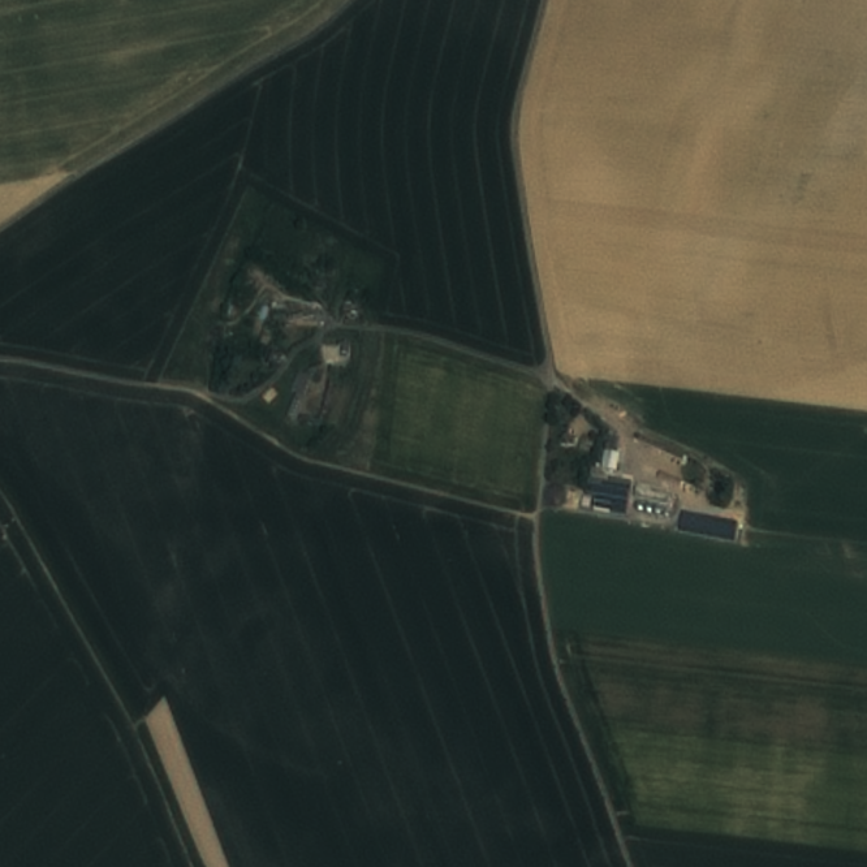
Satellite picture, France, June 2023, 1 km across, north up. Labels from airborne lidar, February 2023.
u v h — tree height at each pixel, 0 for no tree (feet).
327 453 0
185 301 0
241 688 0
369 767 0
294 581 0
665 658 0
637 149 0
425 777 0
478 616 0
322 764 0
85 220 0
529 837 0
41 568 0
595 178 0
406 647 0
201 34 0
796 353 0
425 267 0
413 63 0
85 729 0
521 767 0
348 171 0
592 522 0
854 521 0
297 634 0
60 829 0
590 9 0
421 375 0
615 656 0
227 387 25
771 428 0
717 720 0
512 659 0
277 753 0
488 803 0
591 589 0
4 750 0
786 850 0
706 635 0
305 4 0
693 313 0
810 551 0
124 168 0
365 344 0
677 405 0
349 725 0
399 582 0
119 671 0
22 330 0
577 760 0
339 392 0
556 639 0
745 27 0
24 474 0
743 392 0
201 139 0
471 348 0
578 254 0
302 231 28
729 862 0
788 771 0
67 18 0
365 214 0
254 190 0
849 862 0
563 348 0
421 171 0
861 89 0
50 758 0
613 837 0
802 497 0
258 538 0
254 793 0
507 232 0
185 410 0
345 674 0
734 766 0
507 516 0
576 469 22
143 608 0
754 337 0
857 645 0
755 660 0
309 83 0
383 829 0
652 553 0
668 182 0
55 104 0
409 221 0
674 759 0
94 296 0
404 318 0
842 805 0
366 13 0
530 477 0
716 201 0
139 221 0
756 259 0
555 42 0
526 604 0
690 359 0
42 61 0
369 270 0
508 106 0
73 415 0
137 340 0
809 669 0
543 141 0
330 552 0
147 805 0
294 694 0
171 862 0
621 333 0
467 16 0
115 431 0
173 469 0
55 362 0
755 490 0
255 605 0
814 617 0
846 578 0
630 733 0
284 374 0
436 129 0
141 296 0
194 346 0
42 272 0
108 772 0
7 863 0
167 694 0
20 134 0
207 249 0
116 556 0
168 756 0
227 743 0
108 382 0
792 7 0
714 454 0
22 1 0
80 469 0
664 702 0
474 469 0
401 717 0
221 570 0
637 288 0
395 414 0
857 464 0
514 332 0
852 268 0
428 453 0
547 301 0
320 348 0
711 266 0
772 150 0
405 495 0
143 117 0
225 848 0
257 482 0
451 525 0
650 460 0
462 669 0
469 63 0
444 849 0
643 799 0
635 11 0
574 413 32
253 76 0
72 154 0
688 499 0
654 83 0
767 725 0
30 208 0
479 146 0
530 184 0
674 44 0
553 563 0
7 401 0
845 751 0
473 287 0
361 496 0
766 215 0
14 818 0
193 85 0
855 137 0
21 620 0
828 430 0
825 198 0
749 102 0
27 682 0
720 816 0
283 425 0
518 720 0
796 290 0
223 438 0
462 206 0
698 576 0
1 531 0
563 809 0
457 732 0
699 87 0
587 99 0
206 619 0
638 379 0
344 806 0
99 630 0
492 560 0
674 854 0
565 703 0
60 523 0
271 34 0
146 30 0
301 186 0
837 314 0
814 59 0
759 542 0
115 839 0
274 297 0
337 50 0
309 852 0
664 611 0
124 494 0
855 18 0
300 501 0
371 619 0
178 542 0
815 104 0
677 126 0
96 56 0
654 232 0
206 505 0
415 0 0
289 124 0
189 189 0
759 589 0
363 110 0
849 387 0
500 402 0
